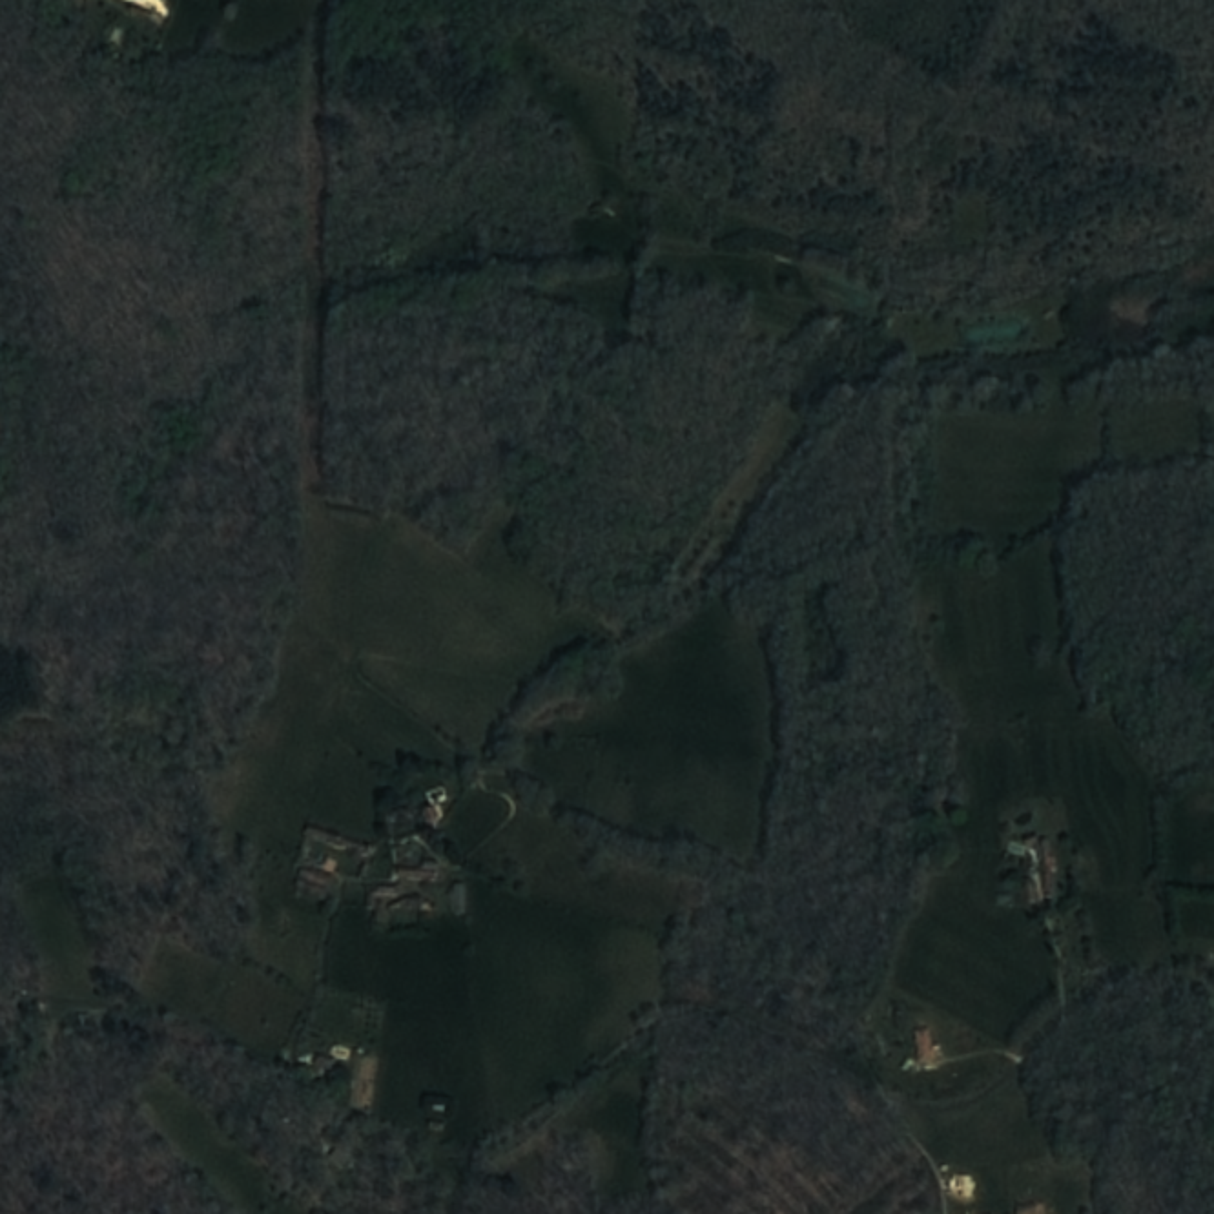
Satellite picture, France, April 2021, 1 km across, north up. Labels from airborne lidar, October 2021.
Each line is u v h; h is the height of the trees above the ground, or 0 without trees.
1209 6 17
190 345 16
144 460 18
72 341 19
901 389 10
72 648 11
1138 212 9
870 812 22
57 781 8
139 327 16
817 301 0
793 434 0
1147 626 20
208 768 20
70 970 0
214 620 18
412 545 0
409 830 11
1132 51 14
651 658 0
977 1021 0
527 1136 16
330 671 0
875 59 13
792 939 17
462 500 19
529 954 0
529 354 16
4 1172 9
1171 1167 17
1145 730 19
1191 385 13
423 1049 0
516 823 0
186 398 18
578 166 18
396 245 17
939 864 19
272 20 0
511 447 15
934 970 0
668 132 12
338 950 0
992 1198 0
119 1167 16
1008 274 14
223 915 21
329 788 0
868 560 22
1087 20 8
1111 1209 18
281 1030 0
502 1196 17
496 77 19
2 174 15
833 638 15
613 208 11
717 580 19
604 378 21
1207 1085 25
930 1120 0
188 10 0
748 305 14
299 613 9
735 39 14
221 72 20
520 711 15
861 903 17
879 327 11
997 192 9
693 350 17
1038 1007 14
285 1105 20
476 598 0
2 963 15
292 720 0
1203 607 14
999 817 0
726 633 0
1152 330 7
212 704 21
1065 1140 15
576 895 0
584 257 0
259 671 17
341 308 21
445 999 0
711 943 18
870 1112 18
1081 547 21
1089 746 0
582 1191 15
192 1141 0
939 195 9
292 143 13
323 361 12
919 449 12
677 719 0
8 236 14
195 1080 12
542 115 19
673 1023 15
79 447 18
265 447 18
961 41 6
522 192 21
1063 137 8
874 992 12
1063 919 12
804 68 13
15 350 16
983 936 0
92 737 19
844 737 23
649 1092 19
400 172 19
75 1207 15
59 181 19
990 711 0
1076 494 20
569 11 22
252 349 18
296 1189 18
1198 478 15
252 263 22
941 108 11
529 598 0
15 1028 15
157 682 21
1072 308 7
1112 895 0
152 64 13
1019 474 0
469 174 21
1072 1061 23
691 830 0
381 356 15
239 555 11
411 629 0
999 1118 0
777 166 7
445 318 21
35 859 28
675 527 23
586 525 22
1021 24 10
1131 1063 20
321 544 0
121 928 21
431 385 19
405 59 21
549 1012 0
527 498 21
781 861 20
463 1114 0
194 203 22
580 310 15
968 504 0
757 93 12
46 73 22
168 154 20
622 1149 0
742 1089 14
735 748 0
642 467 22
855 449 13
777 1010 11
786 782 17
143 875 20
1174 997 19
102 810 21
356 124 24
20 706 20
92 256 18
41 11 15
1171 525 21
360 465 18
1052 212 14
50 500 14
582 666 18
